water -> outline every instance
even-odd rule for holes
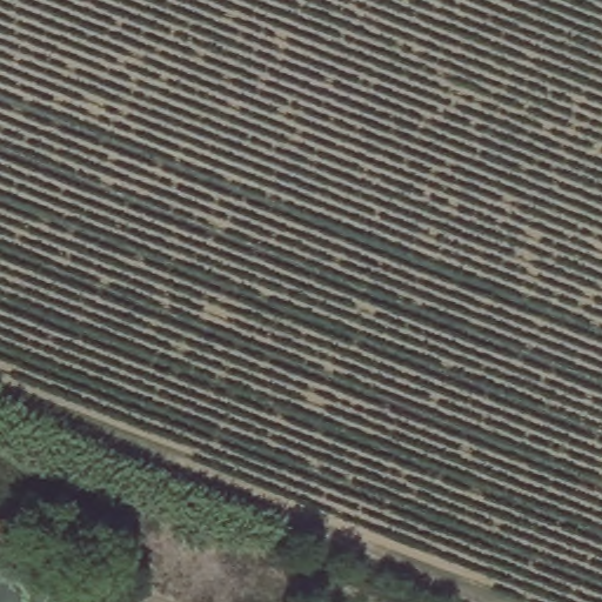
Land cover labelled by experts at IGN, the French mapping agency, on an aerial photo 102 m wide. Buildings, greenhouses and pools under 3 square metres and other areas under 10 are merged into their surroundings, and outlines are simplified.
[[[31,600],[26,600],[26,597],[21,597],[21,593],[19,593],[19,590],[16,590],[16,588],[9,588],[9,586],[5,586],[5,583],[0,583],[0,602],[31,602]]]

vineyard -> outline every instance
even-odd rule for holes
[[[136,461],[143,470],[165,470],[176,482],[188,482],[216,491],[226,499],[226,503],[254,508],[266,524],[280,527],[285,531],[292,527],[292,531],[299,536],[317,536],[322,546],[329,546],[339,555],[353,555],[367,569],[374,569],[379,574],[393,574],[402,581],[412,581],[421,590],[428,590],[440,597],[452,597],[454,602],[602,602],[602,0],[0,0],[0,393],[12,402],[26,404],[26,409],[35,412],[40,419],[52,419],[56,428],[80,435],[82,440],[92,440],[99,449],[106,449],[111,459],[129,459]]]

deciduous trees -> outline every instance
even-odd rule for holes
[[[165,470],[143,470],[136,461],[129,459],[111,459],[106,449],[99,449],[92,440],[82,440],[80,435],[56,428],[52,419],[40,419],[35,412],[26,409],[26,404],[12,402],[0,393],[0,583],[5,583],[5,586],[9,586],[9,588],[16,588],[16,590],[19,590],[19,593],[21,593],[21,597],[26,597],[26,600],[31,600],[31,602],[141,602],[151,595],[153,576],[151,548],[146,546],[146,536],[169,531],[176,541],[188,543],[188,548],[216,548],[219,562],[226,574],[249,574],[256,578],[254,593],[235,602],[454,602],[452,597],[440,597],[428,590],[421,590],[412,581],[402,581],[393,574],[379,574],[374,569],[367,569],[353,555],[339,555],[329,546],[322,546],[317,536],[299,536],[292,531],[292,527],[285,531],[280,527],[266,524],[254,508],[226,503],[226,499],[216,491],[188,482],[176,482]]]

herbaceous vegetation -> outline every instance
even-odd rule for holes
[[[146,536],[146,546],[151,548],[153,576],[151,595],[141,602],[235,602],[254,593],[256,578],[249,574],[226,574],[219,562],[216,548],[188,548],[188,543],[176,541],[169,531]]]

